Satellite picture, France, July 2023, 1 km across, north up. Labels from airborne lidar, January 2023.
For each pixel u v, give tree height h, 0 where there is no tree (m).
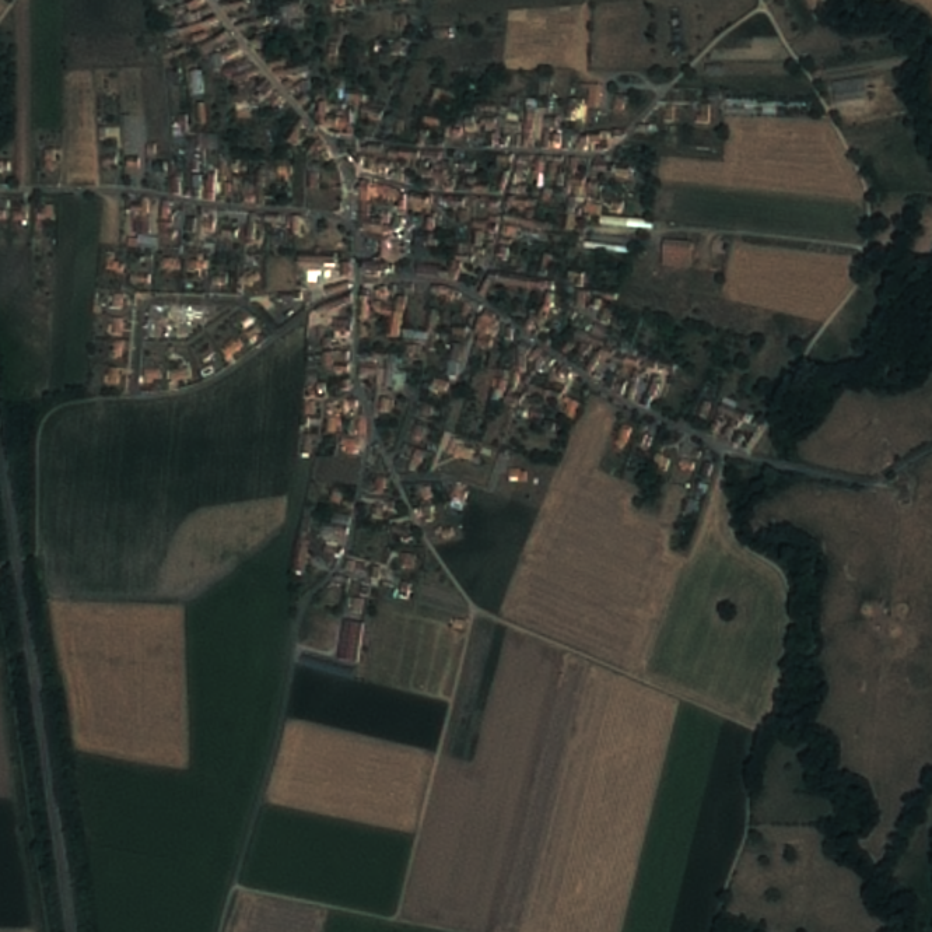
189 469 0
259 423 0
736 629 0
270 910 0
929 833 0
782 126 0
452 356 0
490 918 0
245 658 0
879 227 20
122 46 0
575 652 0
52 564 0
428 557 0
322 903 0
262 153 10
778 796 0
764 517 0
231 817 0
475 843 0
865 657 0
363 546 0
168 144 0
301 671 0
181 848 0
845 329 0
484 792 0
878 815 9
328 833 0
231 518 0
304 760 0
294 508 0
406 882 0
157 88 0
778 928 0
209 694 0
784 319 0
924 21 17
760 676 0
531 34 0
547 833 0
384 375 0
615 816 0
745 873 0
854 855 15
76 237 0
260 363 0
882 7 17
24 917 0
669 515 0
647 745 0
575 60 0
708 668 0
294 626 0
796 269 0
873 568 0
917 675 0
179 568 0
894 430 0
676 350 11
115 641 0
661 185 12
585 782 0
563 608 0
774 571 0
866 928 0
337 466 0
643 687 0
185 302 0
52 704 14
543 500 0
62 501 0
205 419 0
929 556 0
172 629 0
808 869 0
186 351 0
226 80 0
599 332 0
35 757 7
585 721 0
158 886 0
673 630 0
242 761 0
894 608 0
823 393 26
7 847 0
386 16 0
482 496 0
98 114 0
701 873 0
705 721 0
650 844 0
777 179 0
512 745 0
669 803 0
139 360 0
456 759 0
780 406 26
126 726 0
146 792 0
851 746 0
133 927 0
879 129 0
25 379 0
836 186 0
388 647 0
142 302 0
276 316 0
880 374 19
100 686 0
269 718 0
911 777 0
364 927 0
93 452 0
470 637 0
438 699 0
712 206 0
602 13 0
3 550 9
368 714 0
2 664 0
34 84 0
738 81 0
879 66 0
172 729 0
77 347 0
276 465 0
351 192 0
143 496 0
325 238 0
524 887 0
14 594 9
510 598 0
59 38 0
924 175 0
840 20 18
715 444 0
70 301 0
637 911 0
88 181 0
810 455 0
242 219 0
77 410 0
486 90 11
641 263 0
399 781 0
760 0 0
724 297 0
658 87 0
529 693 0
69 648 0
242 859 0
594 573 0
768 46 0
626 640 0
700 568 0
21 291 0
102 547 0
